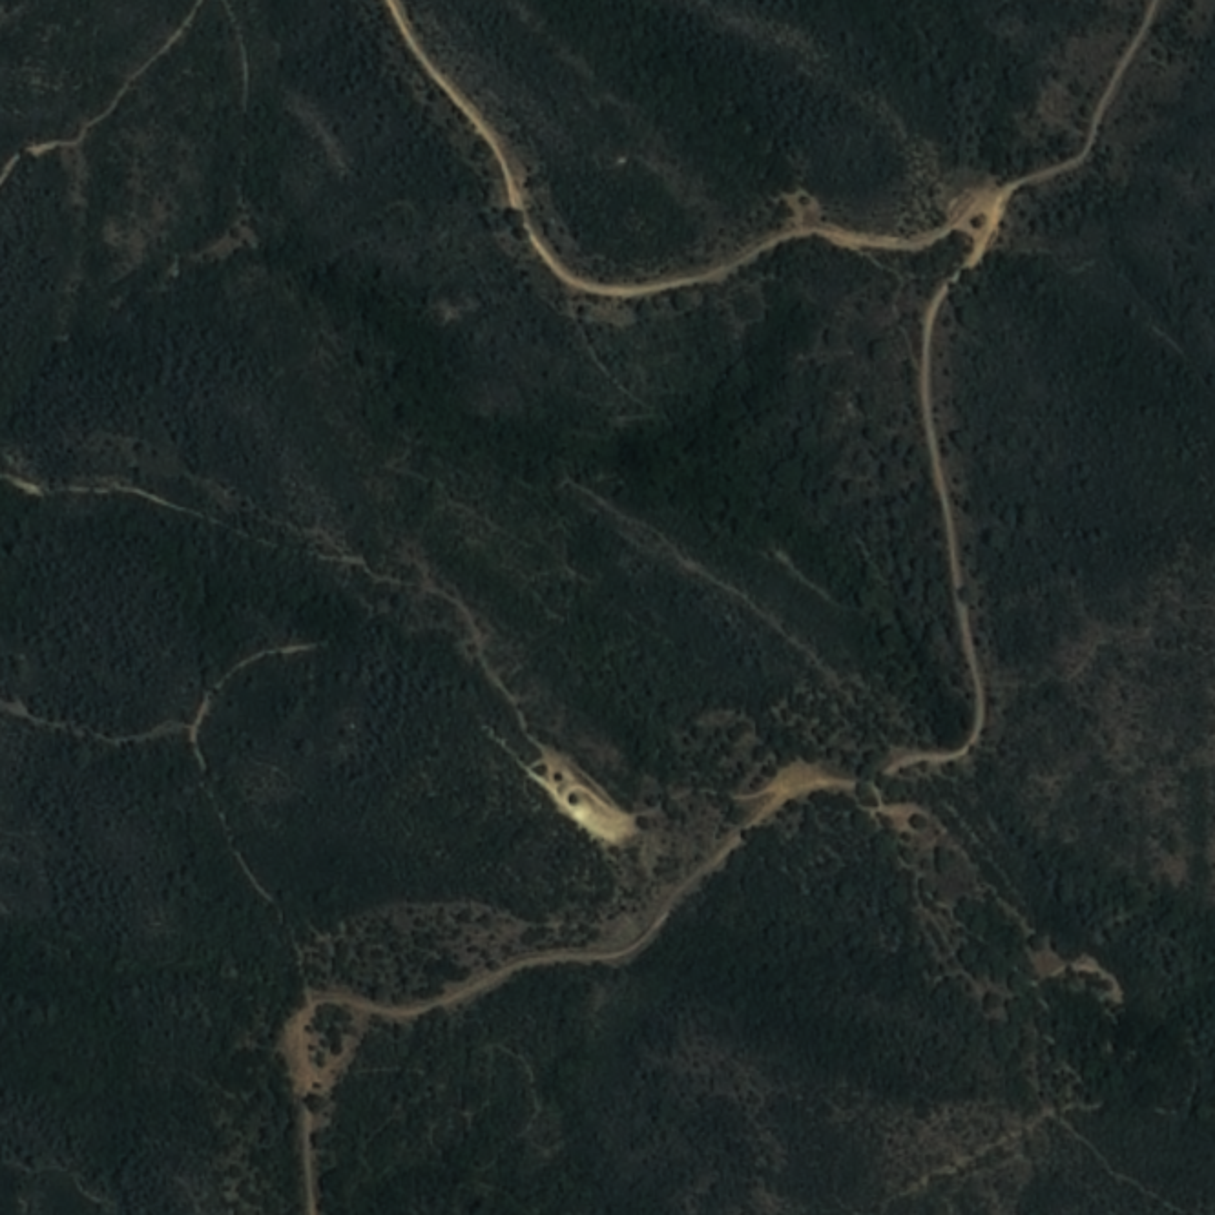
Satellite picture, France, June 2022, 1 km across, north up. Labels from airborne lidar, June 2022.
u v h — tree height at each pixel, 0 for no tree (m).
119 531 8
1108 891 10
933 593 12
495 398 0
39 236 7
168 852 8
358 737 7
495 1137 6
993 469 10
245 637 6
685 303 13
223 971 7
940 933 7
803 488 7
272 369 11
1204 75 6
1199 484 6
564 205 7
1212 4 0
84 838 10
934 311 0
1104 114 0
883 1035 6
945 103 6
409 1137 9
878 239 0
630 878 0
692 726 10
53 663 10
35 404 13
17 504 7
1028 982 15
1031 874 6
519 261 6
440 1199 16
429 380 11
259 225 12
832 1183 6
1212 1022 14
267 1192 10
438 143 7
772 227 7
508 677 6
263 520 10
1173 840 9
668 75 12
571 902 7
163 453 6
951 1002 9
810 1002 9
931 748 8
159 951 7
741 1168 7
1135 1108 10
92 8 7
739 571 7
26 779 14
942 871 10
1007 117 11
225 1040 9
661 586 6
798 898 5
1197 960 9
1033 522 13
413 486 7
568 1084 9
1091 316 7
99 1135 10
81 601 14
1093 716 8
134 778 10
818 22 8
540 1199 9
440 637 6
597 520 8
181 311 7
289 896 11
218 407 9
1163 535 6
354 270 11
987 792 12
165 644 10
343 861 9
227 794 6
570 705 7
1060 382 6
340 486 6
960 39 7
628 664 6
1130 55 0
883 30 13
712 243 6
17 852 11
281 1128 6
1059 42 5
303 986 11
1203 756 0
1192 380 9
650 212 6
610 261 8
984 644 13
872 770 13
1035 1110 7
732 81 13
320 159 7
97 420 12
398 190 7
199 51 7
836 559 6
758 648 11
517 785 5
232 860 7
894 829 8
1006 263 12
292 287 9
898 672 13
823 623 6
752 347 8
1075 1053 15
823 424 10
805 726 7
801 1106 6
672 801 9
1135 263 5
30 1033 6
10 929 10
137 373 9
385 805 6
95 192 6
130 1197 13
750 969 12
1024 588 7
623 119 6
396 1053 7
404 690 13
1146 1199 8
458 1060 9
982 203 0
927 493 12
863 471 12
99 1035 8
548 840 7
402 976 7
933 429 0
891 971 6
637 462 16
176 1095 7
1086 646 0
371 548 7
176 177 7
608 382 6
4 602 7
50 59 5
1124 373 9
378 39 14
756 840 12
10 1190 6
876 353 11
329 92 9
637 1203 8
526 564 7
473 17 10
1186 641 8
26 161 6
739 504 6
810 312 6
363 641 7
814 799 9
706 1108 7
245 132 8
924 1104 7
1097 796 8
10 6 6
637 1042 6
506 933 0
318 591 9
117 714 15
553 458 12
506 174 0
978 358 6
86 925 8
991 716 0
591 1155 6
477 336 13
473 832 10
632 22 9
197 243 5
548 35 7
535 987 7
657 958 12
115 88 7
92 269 6
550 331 8
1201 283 9
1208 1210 7
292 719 11
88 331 11
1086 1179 6
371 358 14
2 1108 9
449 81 0
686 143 7
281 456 8
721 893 8
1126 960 6
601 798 0
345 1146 8
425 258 7
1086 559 6
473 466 9
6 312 15
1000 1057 10
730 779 9
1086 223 6
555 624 6
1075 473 7
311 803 7
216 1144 7
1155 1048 18
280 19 6
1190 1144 6
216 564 13
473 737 6
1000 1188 7
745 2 10
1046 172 0
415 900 6
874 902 7
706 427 7
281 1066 9
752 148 13
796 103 11
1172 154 7
